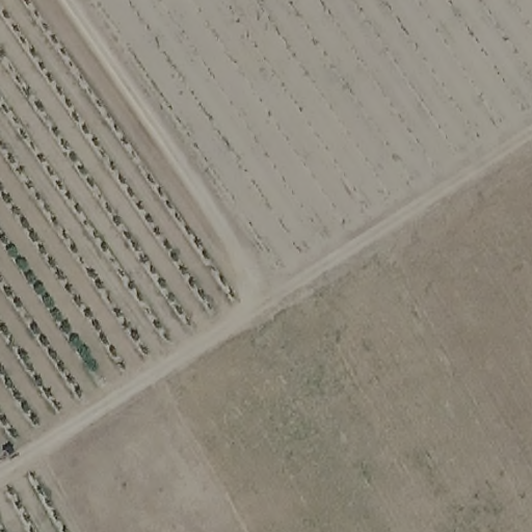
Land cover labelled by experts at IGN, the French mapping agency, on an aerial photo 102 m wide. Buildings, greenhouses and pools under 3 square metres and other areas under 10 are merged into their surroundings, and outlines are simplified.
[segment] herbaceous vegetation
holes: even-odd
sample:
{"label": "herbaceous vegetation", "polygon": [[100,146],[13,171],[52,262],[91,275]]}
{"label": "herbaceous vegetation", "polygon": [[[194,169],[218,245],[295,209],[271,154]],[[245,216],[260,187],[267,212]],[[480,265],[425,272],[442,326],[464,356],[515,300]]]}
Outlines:
{"label": "herbaceous vegetation", "polygon": [[[12,206],[19,206],[37,231],[39,237],[35,241],[29,239],[29,233],[10,212]],[[62,316],[69,320],[73,330],[81,337],[81,341],[89,347],[94,360],[98,362],[98,370],[85,370],[79,351],[71,347],[69,339],[46,310],[42,297],[33,291],[23,272],[17,268],[17,262],[0,243],[0,364],[4,364],[19,391],[25,395],[29,405],[39,416],[39,424],[31,422],[29,414],[21,409],[21,403],[4,387],[4,378],[0,374],[0,463],[6,459],[15,459],[17,451],[23,445],[37,441],[56,424],[79,414],[81,409],[91,407],[102,397],[108,397],[135,372],[143,372],[145,357],[156,362],[160,357],[166,357],[175,351],[177,345],[185,343],[189,337],[210,330],[218,322],[218,316],[224,318],[239,301],[235,283],[229,281],[235,274],[233,260],[222,239],[218,237],[208,216],[200,208],[197,200],[191,195],[179,172],[164,156],[162,148],[156,143],[148,127],[141,123],[139,114],[123,96],[106,67],[102,64],[102,60],[98,58],[98,54],[91,50],[75,21],[67,15],[58,0],[0,0],[0,227],[4,227],[4,233],[17,245],[21,256],[27,258],[31,270],[44,283],[56,308],[62,312]],[[73,289],[64,291],[64,283],[58,281],[54,270],[48,266],[48,258],[52,256],[60,264],[62,272],[71,278]],[[104,326],[108,341],[112,341],[112,345],[116,347],[116,355],[110,355],[110,349],[100,341],[100,335],[85,316],[85,308],[91,308],[91,312]],[[64,370],[58,370],[56,364],[50,360],[48,351],[44,349],[44,345],[37,339],[29,337],[31,322],[37,322],[37,326],[44,330],[52,347],[58,351],[58,355],[64,362]],[[46,382],[46,387],[52,389],[52,393],[60,401],[60,411],[50,414],[46,409],[42,395],[25,376],[25,366],[19,355],[19,349],[25,349],[29,353],[42,380]]]}

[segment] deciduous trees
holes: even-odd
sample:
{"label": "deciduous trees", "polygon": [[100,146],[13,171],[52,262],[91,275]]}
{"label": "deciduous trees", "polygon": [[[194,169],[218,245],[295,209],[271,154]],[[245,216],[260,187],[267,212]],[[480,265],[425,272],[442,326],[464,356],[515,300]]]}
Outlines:
{"label": "deciduous trees", "polygon": [[60,401],[52,393],[52,389],[46,387],[46,382],[42,380],[29,353],[25,349],[19,349],[19,355],[25,366],[25,376],[42,395],[46,409],[50,414],[60,411]]}
{"label": "deciduous trees", "polygon": [[100,335],[100,341],[110,349],[110,355],[116,355],[116,347],[112,345],[112,341],[108,341],[104,326],[91,312],[91,308],[85,308],[85,316]]}
{"label": "deciduous trees", "polygon": [[31,322],[29,337],[37,339],[44,345],[44,349],[48,351],[50,360],[56,364],[58,370],[64,370],[64,362],[58,355],[58,351],[52,347],[44,330],[37,326],[37,322]]}
{"label": "deciduous trees", "polygon": [[35,241],[39,237],[37,231],[19,206],[12,206],[10,212],[29,233],[29,239]]}
{"label": "deciduous trees", "polygon": [[42,297],[46,310],[69,339],[71,347],[79,351],[85,370],[98,370],[98,362],[94,360],[89,347],[81,341],[81,337],[73,330],[69,320],[62,316],[62,312],[56,308],[44,283],[31,270],[27,258],[21,256],[17,245],[4,233],[4,227],[0,227],[0,243],[17,262],[17,268],[23,272],[33,291]]}
{"label": "deciduous trees", "polygon": [[19,391],[4,364],[0,364],[0,374],[4,378],[4,387],[21,403],[21,409],[29,414],[31,422],[39,424],[39,416],[29,405],[25,395]]}
{"label": "deciduous trees", "polygon": [[48,266],[54,270],[58,281],[64,283],[64,291],[73,289],[71,278],[62,272],[60,264],[52,256],[48,258]]}

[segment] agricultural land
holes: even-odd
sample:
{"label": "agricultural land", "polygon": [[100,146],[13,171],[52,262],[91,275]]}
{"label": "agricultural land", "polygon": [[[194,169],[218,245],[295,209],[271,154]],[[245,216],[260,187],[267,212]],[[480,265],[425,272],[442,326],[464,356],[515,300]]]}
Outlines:
{"label": "agricultural land", "polygon": [[422,216],[407,220],[403,227],[395,229],[387,237],[366,245],[347,262],[322,272],[310,285],[293,289],[289,295],[281,299],[278,312],[264,312],[260,318],[251,322],[249,328],[220,341],[216,347],[197,355],[185,368],[175,370],[168,376],[145,387],[116,409],[91,422],[87,428],[77,432],[73,438],[69,438],[52,453],[35,457],[31,470],[25,472],[27,488],[17,490],[10,484],[0,488],[0,532],[532,532],[532,141],[524,143],[517,150],[509,139],[532,125],[532,0],[77,0],[83,6],[96,31],[108,44],[110,52],[133,79],[135,87],[154,108],[160,123],[166,127],[166,131],[187,158],[191,170],[202,179],[204,187],[208,189],[216,208],[229,222],[239,245],[256,264],[262,283],[270,289],[278,283],[295,278],[305,268],[314,266],[328,254],[341,249],[345,243],[376,227],[409,202],[430,193],[441,183],[457,177],[463,168],[474,168],[478,179],[466,183],[451,195],[432,204]]}

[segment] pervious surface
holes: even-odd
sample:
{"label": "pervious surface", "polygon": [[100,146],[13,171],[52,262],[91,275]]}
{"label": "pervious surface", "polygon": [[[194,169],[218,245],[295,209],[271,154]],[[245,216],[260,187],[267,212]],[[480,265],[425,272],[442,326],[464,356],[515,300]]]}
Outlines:
{"label": "pervious surface", "polygon": [[116,409],[145,387],[168,376],[175,370],[185,368],[197,355],[216,347],[220,341],[249,328],[251,322],[260,318],[264,312],[278,312],[281,299],[289,295],[293,289],[310,285],[322,272],[347,262],[366,245],[387,237],[395,229],[403,227],[407,220],[422,216],[432,204],[451,195],[466,183],[478,179],[474,168],[463,168],[457,177],[441,183],[430,193],[409,202],[376,227],[345,243],[341,249],[328,254],[314,266],[305,268],[295,278],[278,283],[270,289],[262,283],[256,264],[239,245],[229,222],[216,208],[208,189],[204,187],[202,179],[191,170],[187,158],[166,131],[166,127],[160,123],[154,108],[135,87],[133,79],[110,52],[108,44],[96,31],[83,6],[77,0],[58,0],[67,15],[75,21],[91,50],[98,54],[98,58],[102,60],[102,64],[106,67],[123,96],[139,114],[141,123],[148,127],[156,143],[162,148],[164,156],[179,172],[191,195],[197,200],[200,208],[208,216],[218,237],[222,239],[233,260],[235,274],[229,281],[235,283],[239,301],[224,318],[218,316],[218,322],[210,330],[189,337],[185,343],[177,345],[175,351],[166,357],[160,357],[156,362],[145,357],[143,372],[135,372],[108,397],[102,397],[91,407],[81,409],[79,414],[56,424],[37,441],[23,445],[17,451],[15,459],[6,459],[0,463],[0,488],[10,484],[17,490],[27,488],[25,472],[31,470],[35,457],[52,453],[69,438],[73,438],[77,432],[87,428],[91,422]]}
{"label": "pervious surface", "polygon": [[532,141],[532,125],[509,139],[517,150],[524,143]]}

